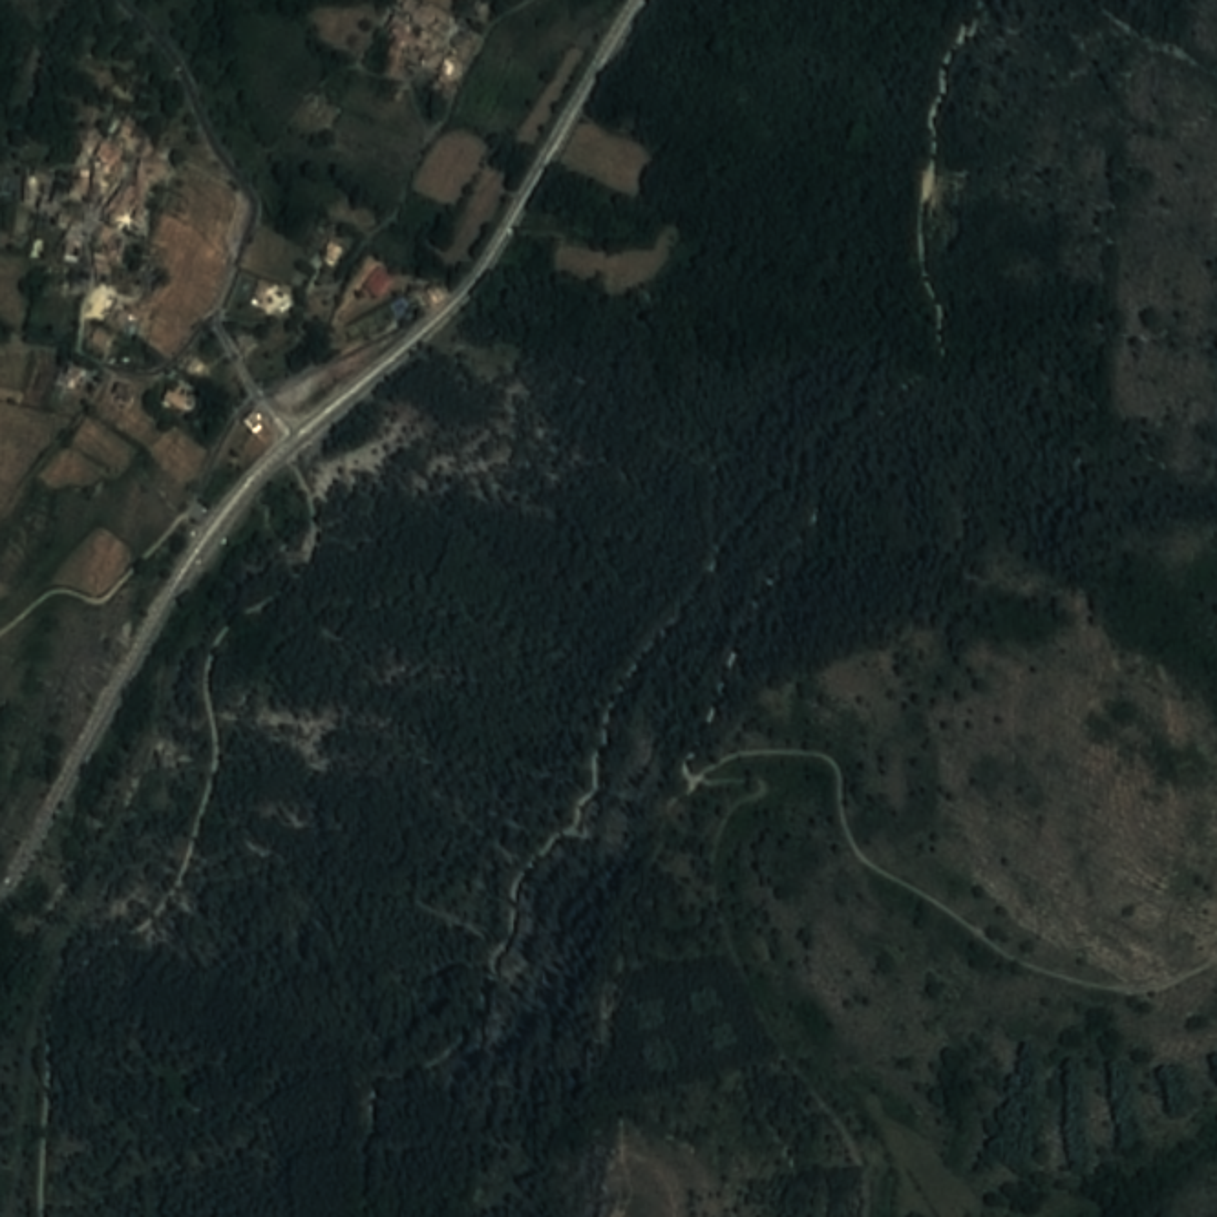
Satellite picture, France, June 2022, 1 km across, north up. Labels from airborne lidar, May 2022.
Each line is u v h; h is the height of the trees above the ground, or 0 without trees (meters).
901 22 14
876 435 12
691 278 9
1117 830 0
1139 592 6
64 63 7
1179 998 0
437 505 11
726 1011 17
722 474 11
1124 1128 17
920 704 14
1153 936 0
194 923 12
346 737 13
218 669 12
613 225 6
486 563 18
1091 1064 11
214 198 0
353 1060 11
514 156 12
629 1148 0
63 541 0
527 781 7
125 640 0
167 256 0
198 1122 12
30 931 9
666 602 11
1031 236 8
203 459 0
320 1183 23
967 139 6
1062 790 0
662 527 15
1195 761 0
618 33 0
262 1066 15
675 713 9
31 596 0
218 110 7
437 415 14
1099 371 10
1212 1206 0
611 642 15
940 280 10
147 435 0
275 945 7
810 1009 6
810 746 10
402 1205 8
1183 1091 22
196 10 11
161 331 0
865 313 17
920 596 16
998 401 12
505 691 8
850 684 0
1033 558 13
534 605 21
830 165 7
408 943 10
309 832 15
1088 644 0
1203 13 0
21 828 0
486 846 12
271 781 12
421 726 9
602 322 11
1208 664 7
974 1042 6
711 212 11
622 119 13
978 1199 0
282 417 0
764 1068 13
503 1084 17
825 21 9
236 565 13
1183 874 0
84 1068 15
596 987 16
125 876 7
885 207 8
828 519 13
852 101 6
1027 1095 18
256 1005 13
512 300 13
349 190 15
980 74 13
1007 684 0
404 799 15
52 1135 9
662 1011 17
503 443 6
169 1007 17
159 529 0
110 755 8
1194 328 0
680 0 8
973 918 0
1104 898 0
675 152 14
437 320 0
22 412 0
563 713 13
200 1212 17
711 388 8
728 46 10
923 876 0
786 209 12
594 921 14
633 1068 14
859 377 17
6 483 0
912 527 8
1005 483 13
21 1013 9
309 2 9
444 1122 18
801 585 15
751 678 12
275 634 8
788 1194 17
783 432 13
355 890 15
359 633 12
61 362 12
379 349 0
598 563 18
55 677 0
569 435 9
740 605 12
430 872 13
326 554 13
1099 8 6
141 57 9
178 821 9
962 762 0
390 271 7
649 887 10
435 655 16
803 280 23
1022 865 0
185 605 12
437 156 0
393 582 9
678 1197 0
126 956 13
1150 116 0
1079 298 11
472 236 0
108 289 0
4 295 0
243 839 13
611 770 8
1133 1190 12
